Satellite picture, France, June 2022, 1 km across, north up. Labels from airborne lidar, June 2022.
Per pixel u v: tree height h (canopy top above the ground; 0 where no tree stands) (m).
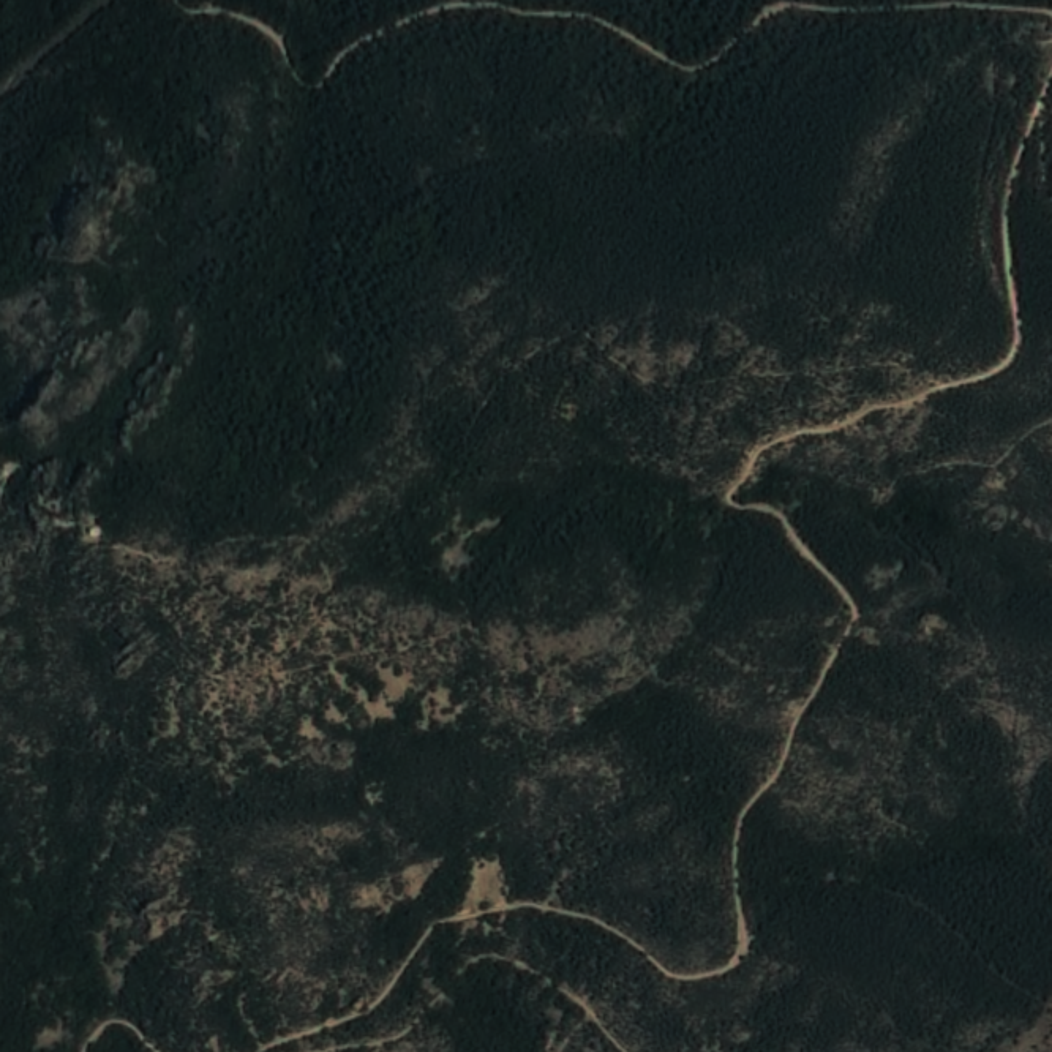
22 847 8
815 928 10
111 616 7
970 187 11
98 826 6
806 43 11
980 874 13
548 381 9
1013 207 14
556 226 14
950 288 9
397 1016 9
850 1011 9
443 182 11
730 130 15
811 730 6
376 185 8
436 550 7
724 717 8
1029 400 6
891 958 9
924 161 12
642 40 9
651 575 14
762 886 12
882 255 14
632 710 8
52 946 11
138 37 14
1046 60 15
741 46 16
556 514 7
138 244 6
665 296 7
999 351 8
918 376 9
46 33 9
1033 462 8
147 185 11
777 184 14
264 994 7
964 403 6
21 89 8
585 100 6
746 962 9
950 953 11
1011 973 11
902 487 10
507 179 15
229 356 7
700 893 12
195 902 10
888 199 8
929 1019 10
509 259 14
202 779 8
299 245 14
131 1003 12
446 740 8
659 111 10
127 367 6
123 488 8
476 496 5
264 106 7
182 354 6
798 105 13
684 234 13
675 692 8
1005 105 15
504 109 12
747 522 13
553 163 13
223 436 5
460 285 8
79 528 9
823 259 8
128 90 13
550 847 10
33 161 13
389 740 7
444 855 9
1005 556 8
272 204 16
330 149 16
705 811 15
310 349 10
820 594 9
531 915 9
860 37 15
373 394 12
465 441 10
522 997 13
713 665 8
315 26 12
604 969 13
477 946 7
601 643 0
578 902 6
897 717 10
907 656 9
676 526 11
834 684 10
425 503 11
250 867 0
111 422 9
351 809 9
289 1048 7
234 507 6
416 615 0
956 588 14
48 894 10
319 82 12
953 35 15
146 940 9
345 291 11
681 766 13
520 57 16
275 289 11
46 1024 6
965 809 6
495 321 7
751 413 11
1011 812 9
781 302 8
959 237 10
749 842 7
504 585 14
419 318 15
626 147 17
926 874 9
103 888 9
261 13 10
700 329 9
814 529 12
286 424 19
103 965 9
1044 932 11
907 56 11
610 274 8
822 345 11
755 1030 11
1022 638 7
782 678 6
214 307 16
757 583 11
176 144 17
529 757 7
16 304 0
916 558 13
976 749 12
